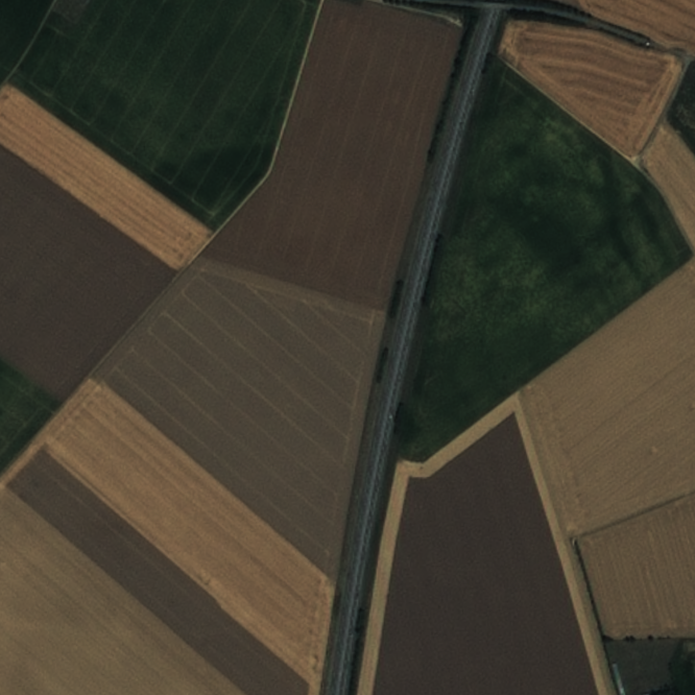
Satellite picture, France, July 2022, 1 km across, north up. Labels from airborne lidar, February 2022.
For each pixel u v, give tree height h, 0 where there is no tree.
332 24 0
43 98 0
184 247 0
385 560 0
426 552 0
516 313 0
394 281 0
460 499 0
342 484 0
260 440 0
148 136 0
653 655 0
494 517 0
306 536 0
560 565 0
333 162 0
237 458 0
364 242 0
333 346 0
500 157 0
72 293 0
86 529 0
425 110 0
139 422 0
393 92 0
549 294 0
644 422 0
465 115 0
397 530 0
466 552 0
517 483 0
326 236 0
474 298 0
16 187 0
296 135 0
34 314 0
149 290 0
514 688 0
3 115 0
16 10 0
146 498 0
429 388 0
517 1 7
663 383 0
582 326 0
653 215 0
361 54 0
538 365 0
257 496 0
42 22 0
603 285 0
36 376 0
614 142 0
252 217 0
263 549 0
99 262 0
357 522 0
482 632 0
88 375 0
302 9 0
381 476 0
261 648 0
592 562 0
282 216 0
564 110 0
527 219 0
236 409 0
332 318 0
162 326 0
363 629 6
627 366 0
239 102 0
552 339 0
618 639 0
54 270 0
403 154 0
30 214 0
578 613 0
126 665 0
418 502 0
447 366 0
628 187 0
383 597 0
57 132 0
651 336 0
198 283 0
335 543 0
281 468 0
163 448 0
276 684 0
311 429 0
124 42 0
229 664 0
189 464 0
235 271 0
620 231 0
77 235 0
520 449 0
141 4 0
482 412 0
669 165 0
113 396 0
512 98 0
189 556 0
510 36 0
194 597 0
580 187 0
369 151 0
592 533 0
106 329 0
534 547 0
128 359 0
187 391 0
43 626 0
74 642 0
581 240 0
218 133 0
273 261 0
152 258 0
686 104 0
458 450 0
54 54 0
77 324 0
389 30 0
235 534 0
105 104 0
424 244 0
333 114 0
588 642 0
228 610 0
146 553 0
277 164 0
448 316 0
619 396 0
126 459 0
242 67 0
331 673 0
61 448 0
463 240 0
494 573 0
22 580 0
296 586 0
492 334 0
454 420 0
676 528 0
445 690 0
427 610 0
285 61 0
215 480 0
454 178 0
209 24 0
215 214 0
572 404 0
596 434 0
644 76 0
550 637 0
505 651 0
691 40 0
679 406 0
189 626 0
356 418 0
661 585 0
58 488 0
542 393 0
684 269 0
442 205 0
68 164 0
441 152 0
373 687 0
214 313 0
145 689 0
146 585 0
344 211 0
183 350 0
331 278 0
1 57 0
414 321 0
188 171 0
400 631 0
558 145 0
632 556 0
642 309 0
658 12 0
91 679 0
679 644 0
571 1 0
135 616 0
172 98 0
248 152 0
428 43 0
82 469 0
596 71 0
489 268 0
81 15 0
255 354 0
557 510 0
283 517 0
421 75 0
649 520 0
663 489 0
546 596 0
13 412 0
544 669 0
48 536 0
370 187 0
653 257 0
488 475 0
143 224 0
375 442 0
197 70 0
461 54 8
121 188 0
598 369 0
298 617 0
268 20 0
